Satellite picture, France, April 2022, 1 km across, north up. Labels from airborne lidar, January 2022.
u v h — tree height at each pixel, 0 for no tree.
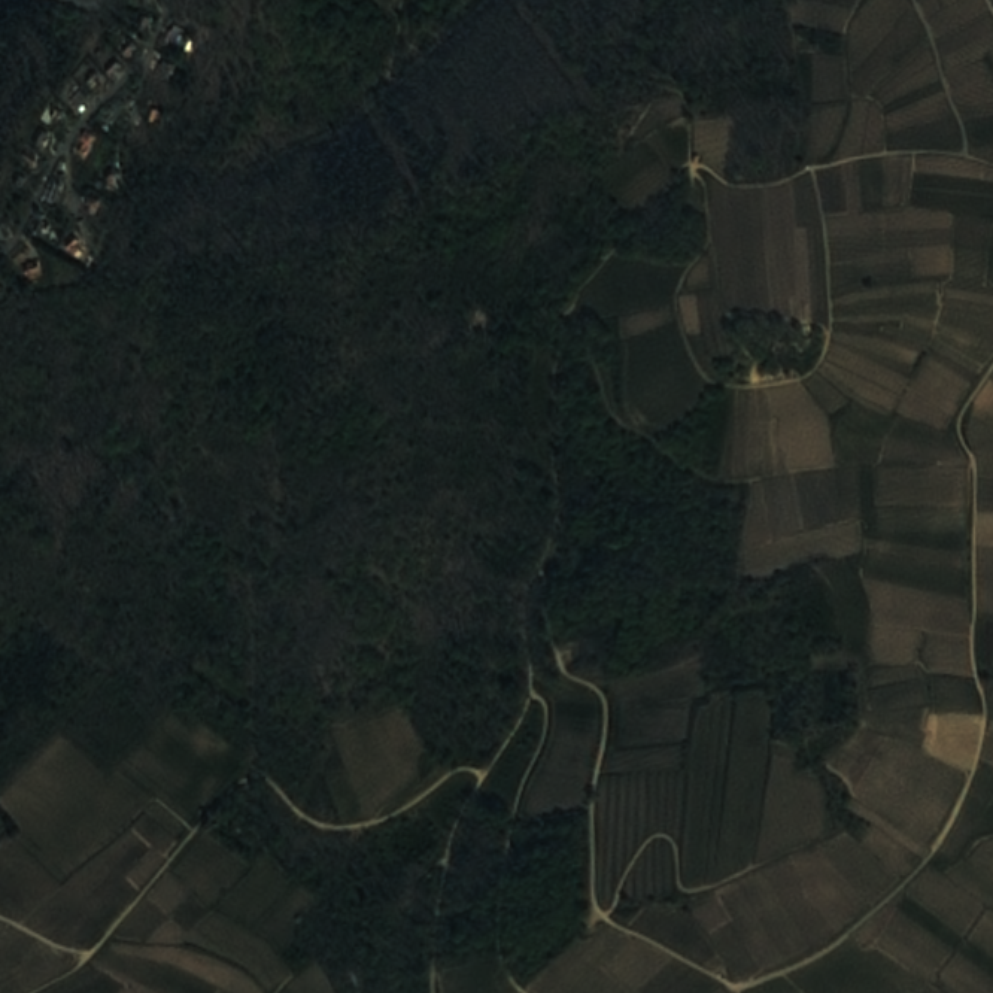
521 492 26
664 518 21
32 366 18
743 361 10
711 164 0
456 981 0
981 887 0
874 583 0
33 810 0
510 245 13
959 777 0
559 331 19
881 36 0
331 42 16
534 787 0
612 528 19
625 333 0
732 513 15
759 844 0
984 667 0
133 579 16
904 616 0
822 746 0
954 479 0
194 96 17
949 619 0
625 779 0
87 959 0
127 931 0
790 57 22
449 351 16
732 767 0
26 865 0
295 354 14
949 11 0
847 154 0
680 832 0
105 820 0
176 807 0
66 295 15
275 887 0
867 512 0
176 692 27
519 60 21
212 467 10
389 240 8
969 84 0
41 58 15
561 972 0
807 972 0
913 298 0
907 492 0
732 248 0
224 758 0
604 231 16
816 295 0
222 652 23
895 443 0
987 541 0
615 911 0
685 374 0
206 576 29
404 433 8
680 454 11
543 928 20
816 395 0
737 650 13
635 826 0
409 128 23
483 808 21
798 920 0
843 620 0
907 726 0
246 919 0
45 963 0
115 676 9
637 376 0
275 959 0
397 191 17
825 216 0
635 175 0
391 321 10
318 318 6
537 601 27
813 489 0
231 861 0
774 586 9
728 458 0
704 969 0
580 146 12
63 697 12
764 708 0
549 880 22
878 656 0
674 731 0
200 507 12
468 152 11
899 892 0
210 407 15
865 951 0
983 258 0
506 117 17
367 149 25
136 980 0
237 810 18
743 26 22
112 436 28
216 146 17
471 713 22
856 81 0
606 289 0
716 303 0
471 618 17
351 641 13
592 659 9
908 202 0
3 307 15
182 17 13
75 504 17
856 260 0
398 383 12
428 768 0
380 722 0
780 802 0
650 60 13
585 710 0
